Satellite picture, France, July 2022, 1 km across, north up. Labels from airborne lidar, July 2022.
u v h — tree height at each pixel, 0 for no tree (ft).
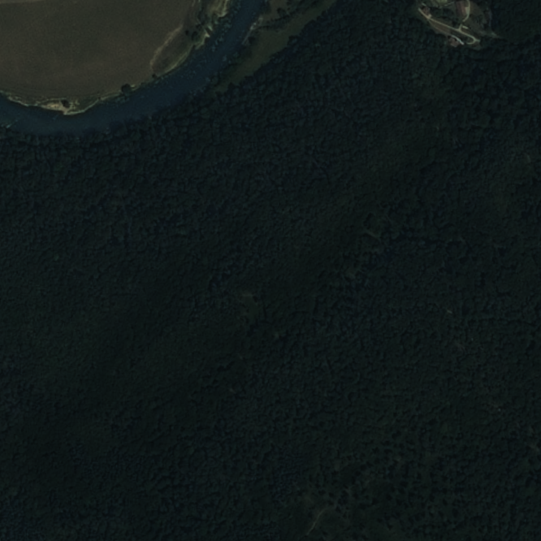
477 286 62
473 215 89
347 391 78
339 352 62
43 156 105
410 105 76
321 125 84
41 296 56
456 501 19
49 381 56
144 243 91
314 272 82
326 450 54
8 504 72
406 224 42
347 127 92
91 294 76
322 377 75
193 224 97
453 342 65
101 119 0
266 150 81
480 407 59
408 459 73
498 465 91
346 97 80
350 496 76
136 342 60
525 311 77
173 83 0
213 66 0
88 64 0
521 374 60
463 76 99
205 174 82
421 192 105
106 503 89
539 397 57
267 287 64
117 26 0
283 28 63
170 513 82
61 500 83
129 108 0
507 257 96
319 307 102
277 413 60
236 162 74
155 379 62
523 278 87
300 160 62
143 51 0
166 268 75
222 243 76
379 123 90
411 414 65
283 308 80
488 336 62
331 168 80
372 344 78
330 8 0
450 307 78
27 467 100
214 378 93
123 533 69
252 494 66
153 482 86
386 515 29
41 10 0
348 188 67
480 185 65
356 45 84
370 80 77
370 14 71
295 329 102
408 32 70
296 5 85
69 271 83
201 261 85
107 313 62
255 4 0
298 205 70
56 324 65
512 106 99
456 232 94
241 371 72
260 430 41
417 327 69
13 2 0
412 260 96
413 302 80
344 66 90
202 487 82
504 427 61
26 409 66
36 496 62
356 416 64
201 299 90
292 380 52
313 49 91
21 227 68
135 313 78
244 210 85
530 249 59
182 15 0
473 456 54
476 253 94
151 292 77
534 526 58
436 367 36
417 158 77
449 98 64
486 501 64
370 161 64
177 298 80
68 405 65
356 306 123
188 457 80
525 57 85
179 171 77
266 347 78
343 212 66
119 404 66
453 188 82
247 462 56
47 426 88
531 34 87
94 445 45
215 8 0
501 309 68
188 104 101
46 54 0
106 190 97
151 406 87
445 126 47
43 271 65
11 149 93
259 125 85
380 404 59
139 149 77
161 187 96
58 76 0
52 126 0
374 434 59
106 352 67
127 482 86
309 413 61
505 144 74
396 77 91
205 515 86
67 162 101
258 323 52
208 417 80
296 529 35
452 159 95
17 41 0
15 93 0
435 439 71
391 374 56
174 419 96
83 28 0
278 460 59
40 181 83
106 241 88
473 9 0
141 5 0
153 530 94
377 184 81
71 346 31
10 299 74
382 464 68
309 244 59
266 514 65
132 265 80
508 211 74
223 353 75
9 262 58
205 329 61
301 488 69
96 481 76
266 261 64
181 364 58
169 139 107
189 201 85
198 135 85
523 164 68
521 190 93
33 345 68
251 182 96
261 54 0
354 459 60
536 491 82
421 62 65
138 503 85
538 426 86
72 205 87
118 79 0
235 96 74
